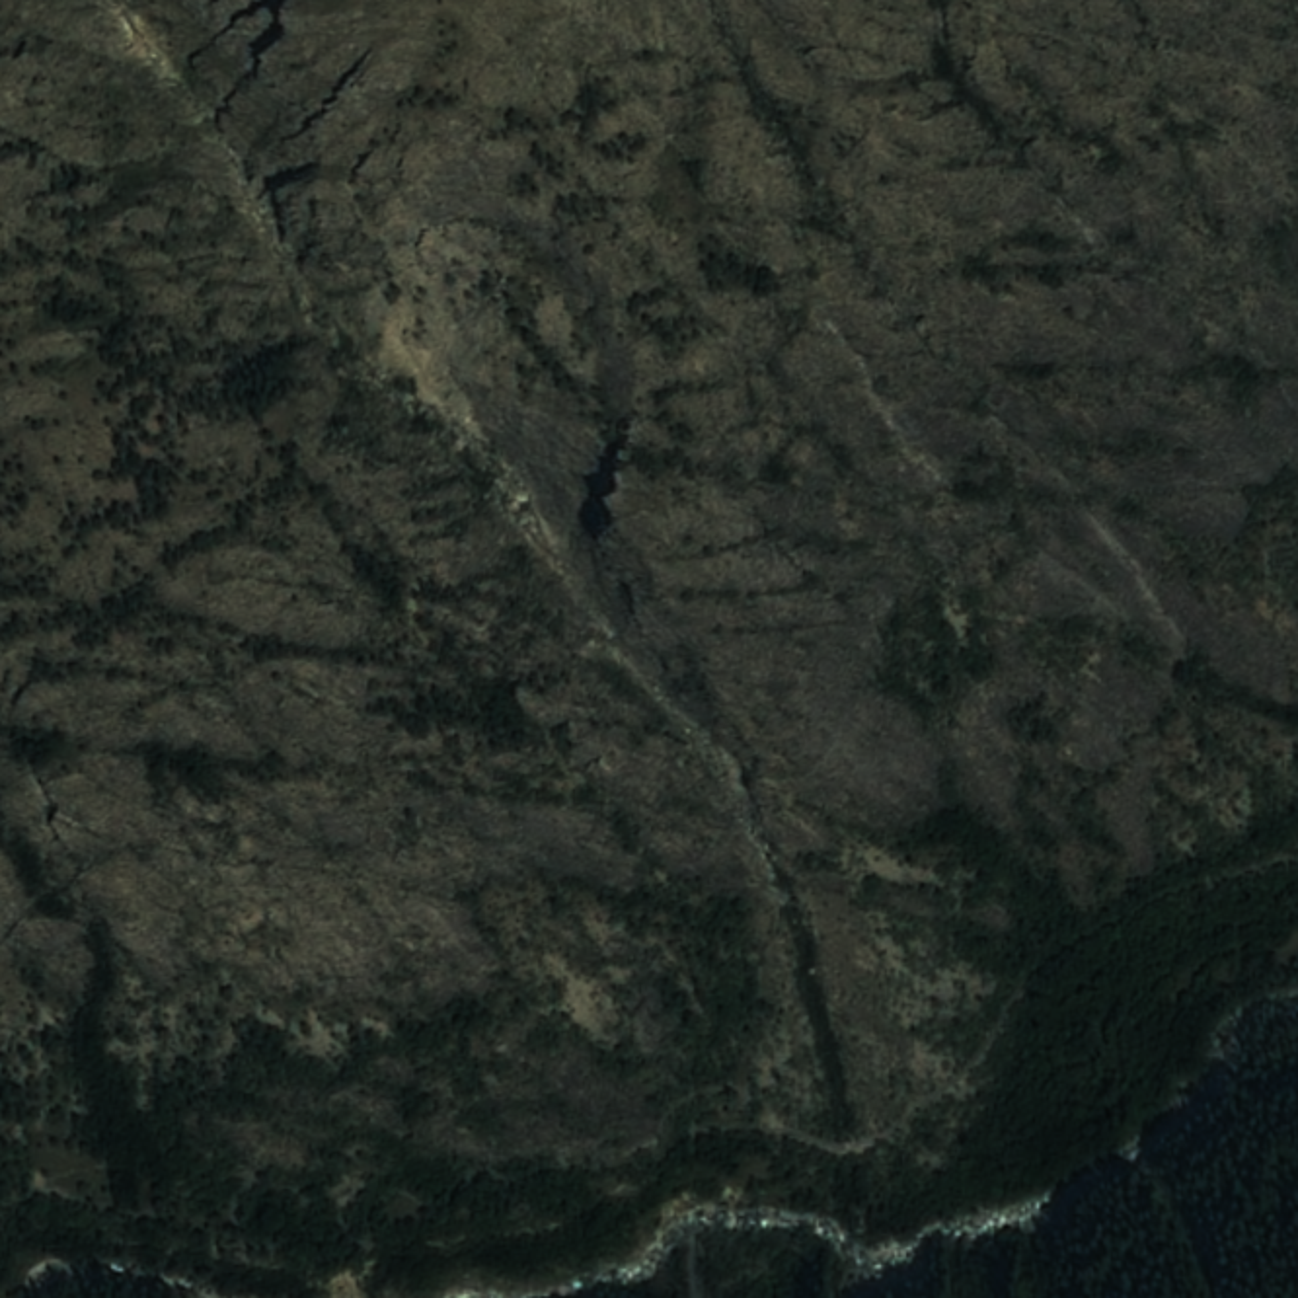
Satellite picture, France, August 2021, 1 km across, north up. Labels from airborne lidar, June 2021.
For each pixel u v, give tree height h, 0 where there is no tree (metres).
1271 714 9
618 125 0
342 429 6
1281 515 8
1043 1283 8
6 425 0
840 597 6
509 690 9
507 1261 9
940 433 0
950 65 9
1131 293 0
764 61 0
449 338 0
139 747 14
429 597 15
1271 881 11
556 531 0
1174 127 6
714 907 8
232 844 6
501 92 0
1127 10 11
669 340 19
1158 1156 13
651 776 0
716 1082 9
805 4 0
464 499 7
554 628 6
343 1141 7
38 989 16
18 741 13
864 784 0
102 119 9
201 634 11
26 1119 12
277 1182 9
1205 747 12
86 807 0
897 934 5
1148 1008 15
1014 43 0
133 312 6
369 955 0
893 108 0
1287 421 0
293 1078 9
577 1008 0
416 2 0
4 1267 8
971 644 6
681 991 7
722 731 17
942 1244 13
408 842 7
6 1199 14
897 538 6
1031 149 6
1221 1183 27
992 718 0
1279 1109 30
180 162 0
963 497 6
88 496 0
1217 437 0
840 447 9
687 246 0
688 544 6
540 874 8
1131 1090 17
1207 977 12
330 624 0
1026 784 10
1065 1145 15
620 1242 6
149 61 0
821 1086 7
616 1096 0
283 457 13
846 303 0
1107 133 6
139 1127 15
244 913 0
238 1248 7
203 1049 7
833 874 9
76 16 0
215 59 0
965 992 7
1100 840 7
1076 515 0
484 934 11
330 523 6
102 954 7
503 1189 9
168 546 11
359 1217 14
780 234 0
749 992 6
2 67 0
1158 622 0
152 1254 10
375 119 0
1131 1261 6
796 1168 7
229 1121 8
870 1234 7
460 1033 10
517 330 9
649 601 6
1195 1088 10
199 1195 9
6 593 16
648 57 10
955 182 0
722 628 6
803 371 0
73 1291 27
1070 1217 18
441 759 7
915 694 7
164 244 9
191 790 6
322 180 0
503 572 10
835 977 0
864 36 0
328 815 0
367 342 0
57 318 13
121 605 10
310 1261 7
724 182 0
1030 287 0
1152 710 0
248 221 0
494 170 0
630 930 13
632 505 0
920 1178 9
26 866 7
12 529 9
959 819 14
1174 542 8
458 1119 9
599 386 7
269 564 0
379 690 6
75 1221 12
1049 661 5
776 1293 6
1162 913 11
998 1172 9
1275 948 13
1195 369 7
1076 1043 13
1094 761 0
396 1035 9
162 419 12
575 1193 15
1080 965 20
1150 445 7
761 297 12
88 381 0
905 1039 0
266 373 32
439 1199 10
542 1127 0
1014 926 9
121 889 0
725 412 0
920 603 6
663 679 7
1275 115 0
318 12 0
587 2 0
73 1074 9
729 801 11
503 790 11
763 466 6
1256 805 7
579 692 0
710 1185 7
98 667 8
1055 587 0
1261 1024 19
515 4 0
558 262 9
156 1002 8
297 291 0
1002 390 0
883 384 12
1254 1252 20
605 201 8
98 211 6
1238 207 0
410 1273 7
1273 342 0
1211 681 8
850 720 0
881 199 0
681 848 0
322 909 0
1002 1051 6
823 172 0
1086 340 0
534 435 0
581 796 9
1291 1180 11
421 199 0
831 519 0
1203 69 0
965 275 7
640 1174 10
